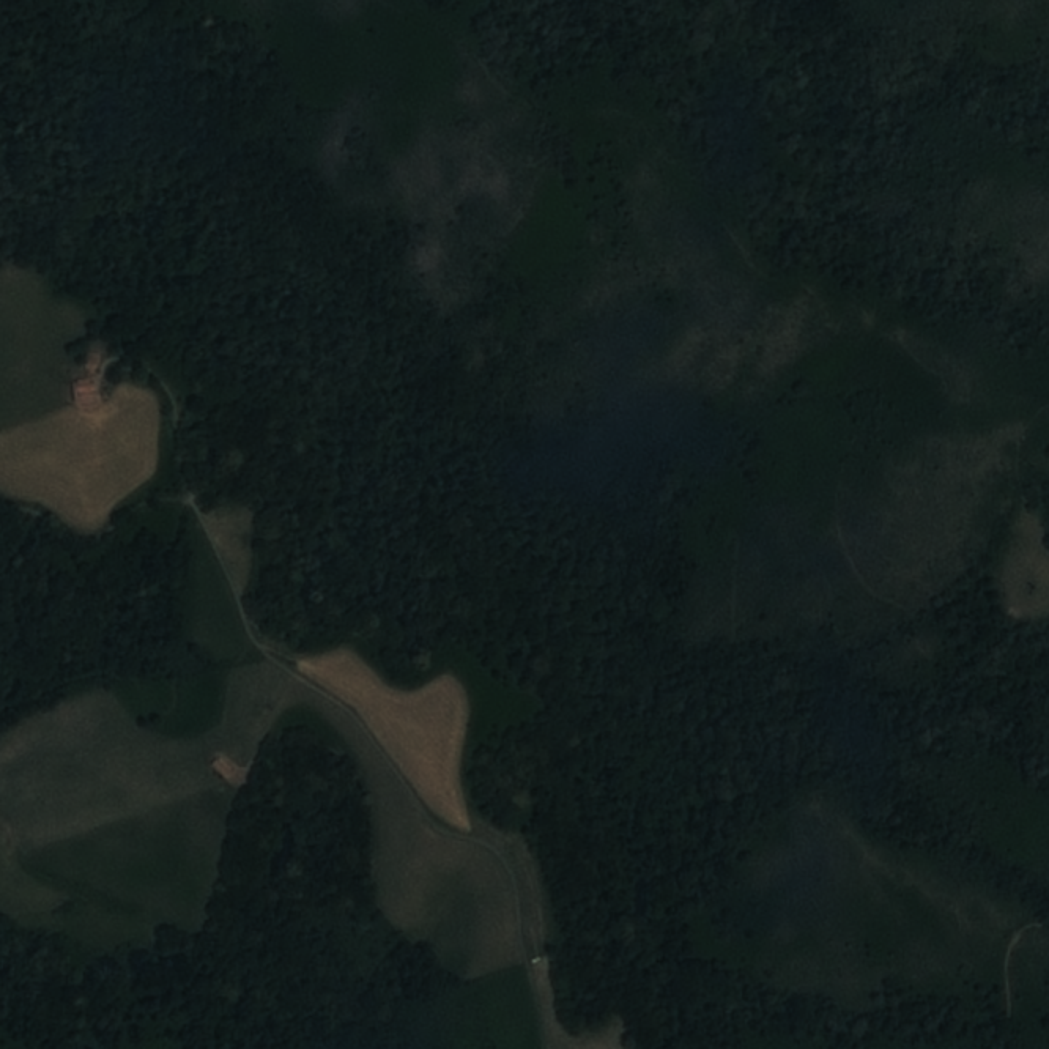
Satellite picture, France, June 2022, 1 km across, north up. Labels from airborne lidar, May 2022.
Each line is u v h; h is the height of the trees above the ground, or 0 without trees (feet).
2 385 0
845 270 38
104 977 58
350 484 77
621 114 0
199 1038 56
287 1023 60
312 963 53
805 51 49
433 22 0
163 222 95
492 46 42
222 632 0
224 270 87
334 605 56
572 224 0
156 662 24
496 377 30
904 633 26
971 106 41
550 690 47
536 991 0
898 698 85
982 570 38
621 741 40
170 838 0
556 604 65
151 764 0
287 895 73
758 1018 43
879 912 0
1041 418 0
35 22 72
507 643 36
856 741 39
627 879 27
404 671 42
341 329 68
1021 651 67
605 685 69
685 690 72
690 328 0
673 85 35
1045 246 0
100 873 0
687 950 53
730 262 0
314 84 0
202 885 0
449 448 78
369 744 0
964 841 37
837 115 70
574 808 50
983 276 28
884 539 0
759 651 35
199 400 58
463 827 0
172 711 0
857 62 29
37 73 31
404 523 67
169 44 36
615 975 37
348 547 37
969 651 32
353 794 71
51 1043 47
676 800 26
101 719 0
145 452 0
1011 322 32
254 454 91
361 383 69
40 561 48
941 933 0
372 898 38
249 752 0
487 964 0
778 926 0
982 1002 30
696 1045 61
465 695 0
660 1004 64
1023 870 26
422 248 26
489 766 54
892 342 0
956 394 0
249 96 34
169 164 66
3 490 0
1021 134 31
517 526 52
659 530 24
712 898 58
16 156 77
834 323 0
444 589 51
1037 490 33
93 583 35
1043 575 0
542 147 26
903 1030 33
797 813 0
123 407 0
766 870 0
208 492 37
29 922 0
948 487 0
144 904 0
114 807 0
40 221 55
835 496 0
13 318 0
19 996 51
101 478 0
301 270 87
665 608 31
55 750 0
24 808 0
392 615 57
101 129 61
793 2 73
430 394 53
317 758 73
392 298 49
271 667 0
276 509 67
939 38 33
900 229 48
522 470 43
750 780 36
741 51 24
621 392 0
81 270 57
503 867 0
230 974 29
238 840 72
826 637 21
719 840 57
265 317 85
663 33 22
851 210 24
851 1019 40
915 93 34
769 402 17
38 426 0
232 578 0
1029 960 0
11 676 79
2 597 67
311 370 31
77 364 28
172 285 116
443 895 0
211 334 56
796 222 33
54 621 70
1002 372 0
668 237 0
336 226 26
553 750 57
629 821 39
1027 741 26
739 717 69
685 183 0
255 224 84
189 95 56
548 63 37
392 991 41
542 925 0
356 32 0
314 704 0
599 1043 0
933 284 59
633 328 0
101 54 45
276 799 80
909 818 43
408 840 0
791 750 57
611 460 23
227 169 40
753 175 49
